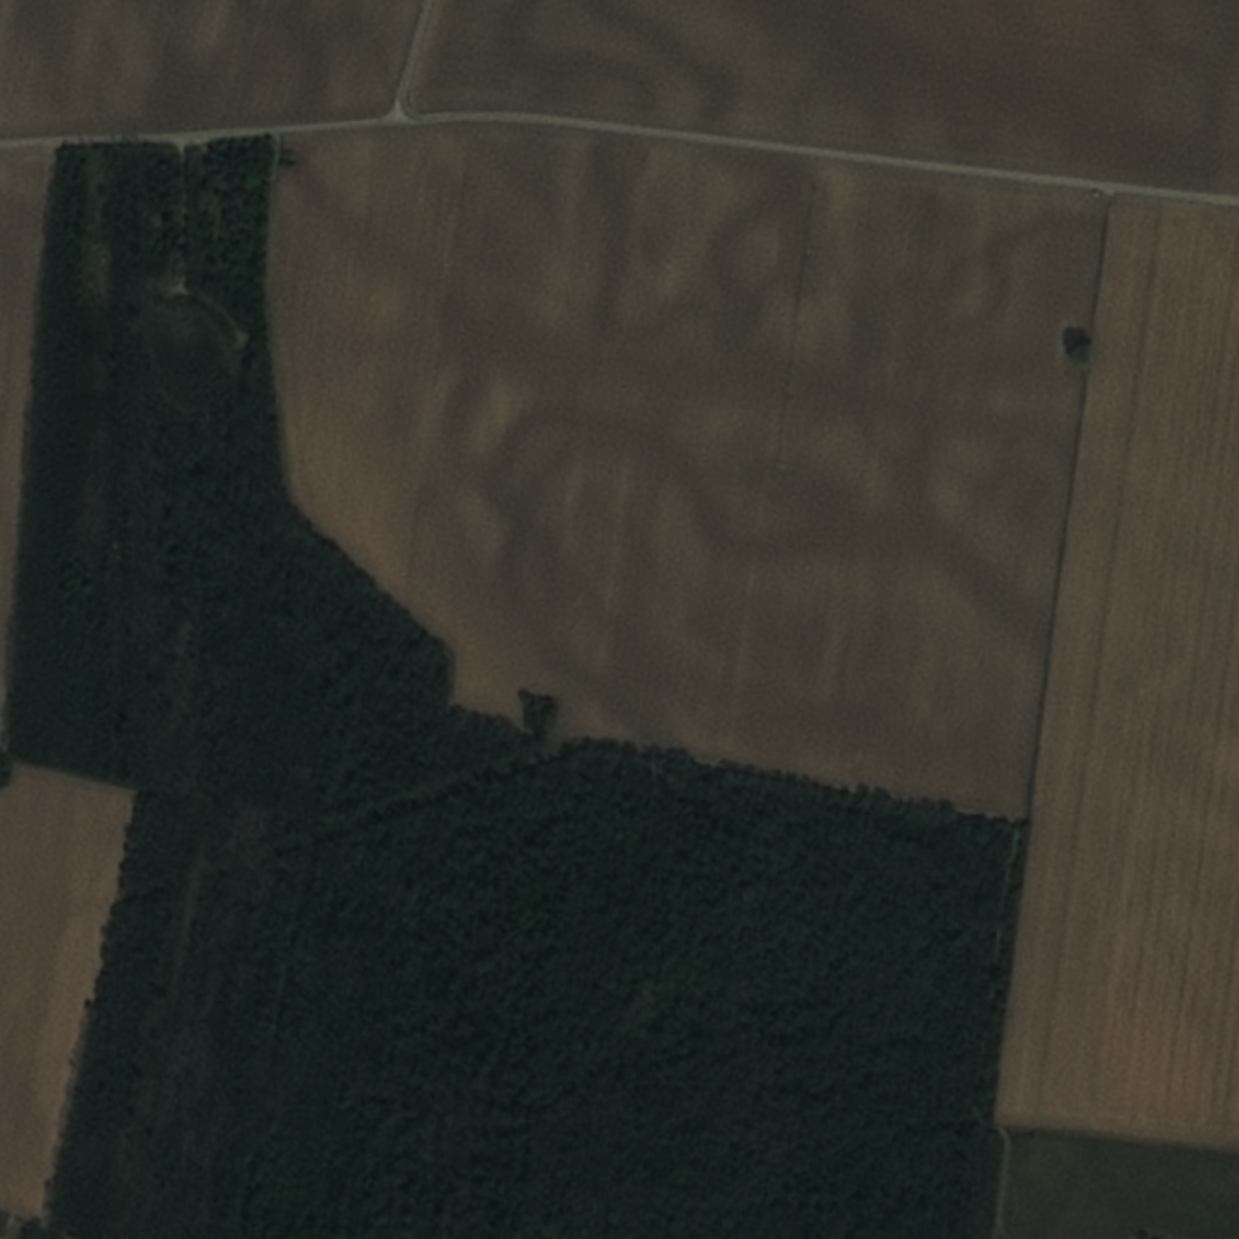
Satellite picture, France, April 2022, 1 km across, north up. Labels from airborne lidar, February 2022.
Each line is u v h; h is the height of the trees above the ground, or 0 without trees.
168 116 0
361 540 0
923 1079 13
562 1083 16
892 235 0
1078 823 0
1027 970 0
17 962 0
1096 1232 0
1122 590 0
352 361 0
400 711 12
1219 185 0
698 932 11
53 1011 0
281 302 0
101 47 0
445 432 0
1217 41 0
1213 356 0
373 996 15
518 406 0
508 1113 19
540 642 0
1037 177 0
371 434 0
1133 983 0
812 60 0
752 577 0
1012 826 8
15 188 0
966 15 0
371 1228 12
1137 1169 0
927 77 0
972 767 0
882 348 0
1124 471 0
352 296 0
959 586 0
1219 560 0
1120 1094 0
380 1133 14
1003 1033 10
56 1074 0
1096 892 0
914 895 13
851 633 0
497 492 0
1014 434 0
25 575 11
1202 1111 0
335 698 12
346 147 0
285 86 0
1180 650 0
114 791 0
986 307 0
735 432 0
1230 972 0
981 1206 11
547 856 15
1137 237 0
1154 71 0
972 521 0
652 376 0
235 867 0
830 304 0
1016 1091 0
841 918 13
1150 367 0
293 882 16
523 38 0
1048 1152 0
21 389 0
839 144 0
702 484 0
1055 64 0
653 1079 12
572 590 0
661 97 0
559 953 14
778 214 0
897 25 0
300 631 15
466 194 0
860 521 0
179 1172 13
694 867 15
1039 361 0
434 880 16
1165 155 0
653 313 0
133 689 8
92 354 0
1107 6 0
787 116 0
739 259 0
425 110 0
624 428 0
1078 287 0
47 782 0
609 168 0
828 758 0
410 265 0
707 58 0
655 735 0
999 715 0
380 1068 11
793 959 15
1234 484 0
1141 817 0
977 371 0
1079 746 0
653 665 0
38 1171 0
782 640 0
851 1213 14
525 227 0
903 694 0
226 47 0
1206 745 0
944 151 0
